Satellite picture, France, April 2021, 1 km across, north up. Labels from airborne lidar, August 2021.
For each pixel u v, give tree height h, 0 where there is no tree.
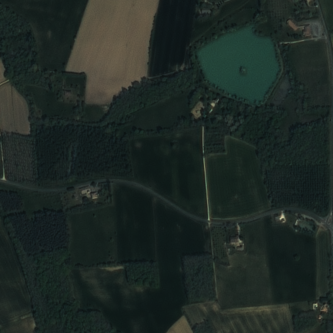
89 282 0
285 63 9
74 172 22
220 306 0
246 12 0
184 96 0
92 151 22
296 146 21
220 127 10
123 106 19
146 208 0
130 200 0
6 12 21
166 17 0
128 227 0
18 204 19
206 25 0
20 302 0
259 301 0
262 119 11
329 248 0
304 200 21
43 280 22
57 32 0
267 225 0
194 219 0
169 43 0
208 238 0
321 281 0
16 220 16
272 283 0
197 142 0
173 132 10
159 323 0
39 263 25
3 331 0
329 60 0
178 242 0
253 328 0
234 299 0
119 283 0
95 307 0
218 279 0
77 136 18
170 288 0
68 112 0
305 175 21
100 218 0
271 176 18
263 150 10
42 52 0
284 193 21
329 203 9
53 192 8
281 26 8
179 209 0
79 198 0
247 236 0
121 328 0
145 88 22
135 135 13
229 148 0
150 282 18
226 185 0
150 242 0
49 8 0
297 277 0
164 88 18
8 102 0
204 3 9
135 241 0
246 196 0
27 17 0
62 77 8
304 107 19
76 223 0
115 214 0
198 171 0
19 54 17
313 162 16
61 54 0
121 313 0
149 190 0
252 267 0
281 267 0
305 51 0
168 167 0
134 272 23
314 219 0
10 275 0
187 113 0
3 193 16
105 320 16
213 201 0
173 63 0
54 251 19
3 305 0
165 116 0
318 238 0
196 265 19
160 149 0
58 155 22
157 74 0
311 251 0
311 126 13
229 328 0
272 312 0
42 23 0
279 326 0
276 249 0
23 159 27
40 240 19
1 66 0
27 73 17
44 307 20
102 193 13
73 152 10
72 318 20
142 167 0
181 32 0
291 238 0
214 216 0
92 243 0
